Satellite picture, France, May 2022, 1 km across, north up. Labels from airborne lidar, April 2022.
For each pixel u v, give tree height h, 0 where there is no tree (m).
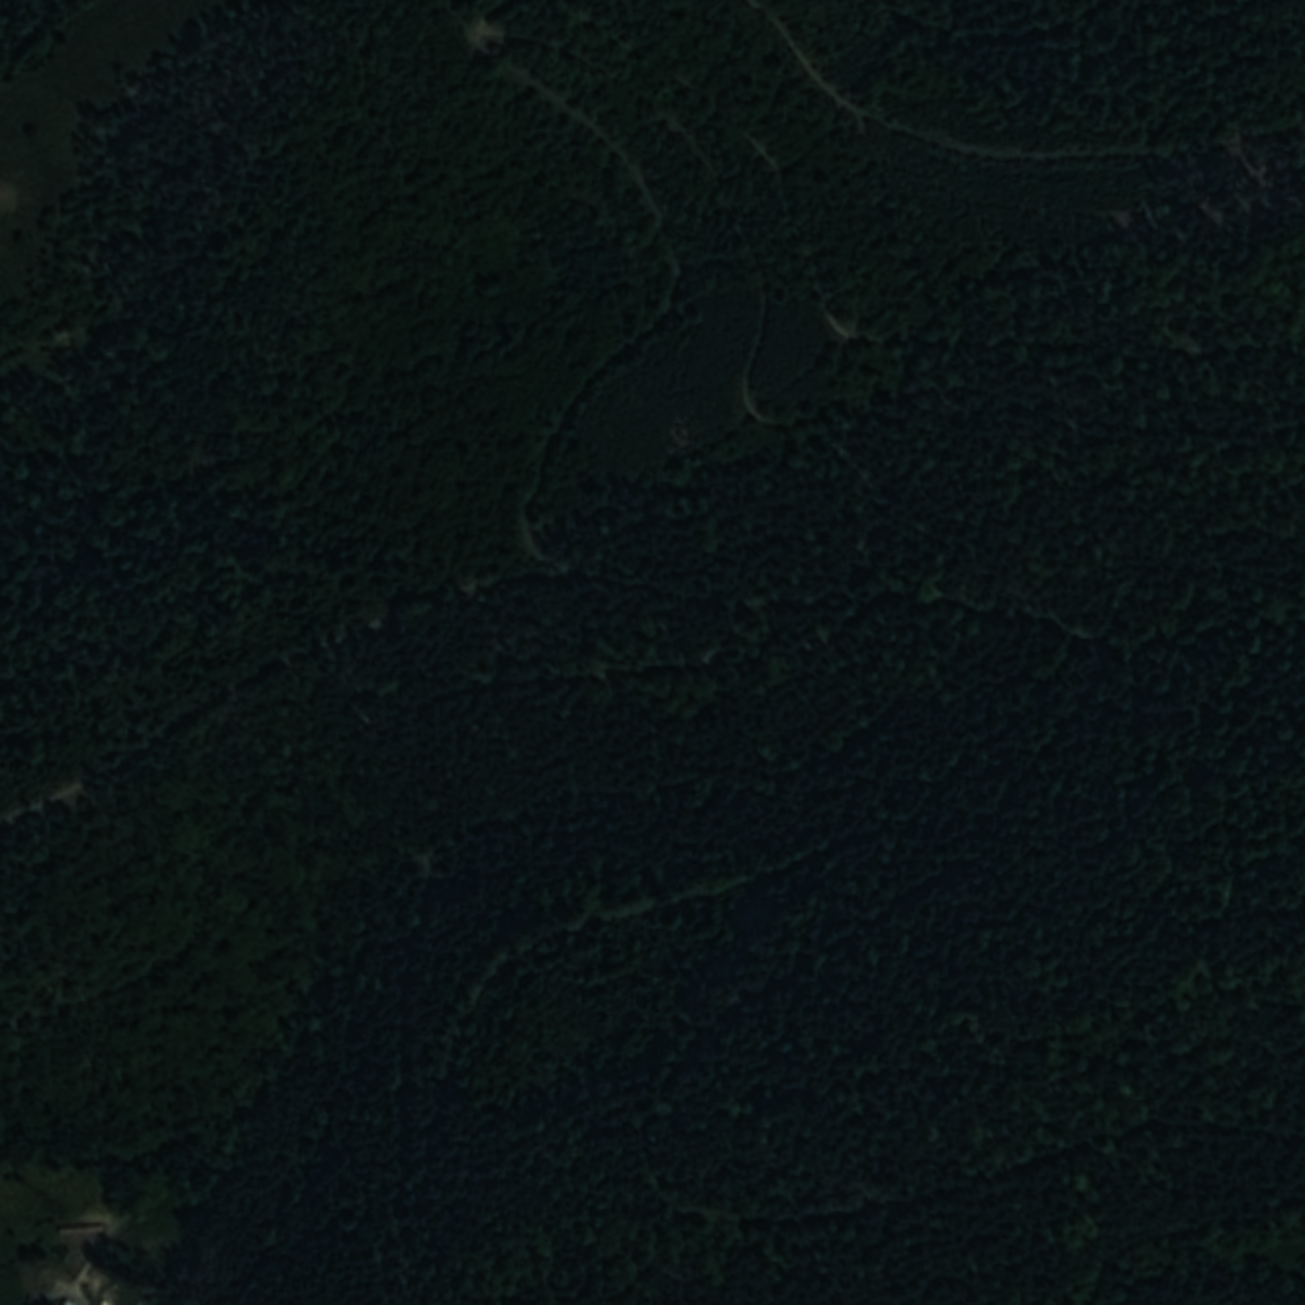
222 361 12
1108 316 24
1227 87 30
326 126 17
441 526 14
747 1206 18
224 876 16
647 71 12
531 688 27
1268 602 37
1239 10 30
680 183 11
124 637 35
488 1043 8
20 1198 0
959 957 31
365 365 21
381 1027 31
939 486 33
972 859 22
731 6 9
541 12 13
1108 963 30
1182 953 26
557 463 12
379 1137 32
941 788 32
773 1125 30
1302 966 21
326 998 31
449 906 29
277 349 9
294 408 19
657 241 17
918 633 30
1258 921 22
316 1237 32
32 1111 13
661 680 28
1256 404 24
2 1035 17
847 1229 29
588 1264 27
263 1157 34
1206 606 29
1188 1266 25
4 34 17
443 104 12
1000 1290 34
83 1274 0
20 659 31
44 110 0
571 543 26
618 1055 15
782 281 16
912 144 8
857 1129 27
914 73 20
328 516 14
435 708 30
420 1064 26
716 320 8
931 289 13
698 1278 27
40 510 31
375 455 14
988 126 8
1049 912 28
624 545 31
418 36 11
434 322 11
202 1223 34
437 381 15
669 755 29
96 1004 10
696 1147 28
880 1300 32
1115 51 36
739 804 38
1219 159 26
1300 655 31
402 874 26
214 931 23
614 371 9
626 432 8
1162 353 24
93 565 34
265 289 17
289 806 25
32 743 10
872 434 32
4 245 0
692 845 24
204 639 31
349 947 17
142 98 11
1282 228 26
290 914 26
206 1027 18
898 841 28
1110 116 27
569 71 16
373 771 22
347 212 9
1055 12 28
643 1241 28
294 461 15
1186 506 31
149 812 22
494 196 9
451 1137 24
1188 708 15
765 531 10
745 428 7
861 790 34
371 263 10
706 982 29
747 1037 30
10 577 27
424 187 12
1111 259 28
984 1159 24
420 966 29
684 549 33
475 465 16
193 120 33
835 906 29
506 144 9
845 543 31
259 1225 37
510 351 16
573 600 28
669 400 9
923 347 31
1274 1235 18
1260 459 30
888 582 23
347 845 26
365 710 25
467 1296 31
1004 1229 28
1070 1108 23
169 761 20
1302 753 19
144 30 0
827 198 12
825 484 35
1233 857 20
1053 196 8
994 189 9
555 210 14
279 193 20
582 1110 29
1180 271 31
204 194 33
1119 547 30
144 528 37
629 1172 23
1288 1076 9
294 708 23
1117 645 24
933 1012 28
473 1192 30
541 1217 25
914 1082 26
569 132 9
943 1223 35
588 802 29
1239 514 23
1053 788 19
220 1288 27
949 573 29
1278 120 24
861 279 16
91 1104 18
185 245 37
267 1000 21
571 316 19
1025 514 30
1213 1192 32
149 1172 31
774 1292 33
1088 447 28
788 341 7
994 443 28
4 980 17
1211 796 23
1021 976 28
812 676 32
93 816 19
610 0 15
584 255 19
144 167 34
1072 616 30
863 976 27
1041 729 30
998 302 18
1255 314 24
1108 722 26
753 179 16
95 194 14
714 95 8
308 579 7
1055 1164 30
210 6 0
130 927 22
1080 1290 28
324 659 27
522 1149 24
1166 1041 28
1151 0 27
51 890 22
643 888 17
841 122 7
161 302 28
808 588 31
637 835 33
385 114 12
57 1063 18
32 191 0
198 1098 22
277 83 35
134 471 6
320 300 10
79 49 0
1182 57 34
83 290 9
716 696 13
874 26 16
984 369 32
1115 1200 39
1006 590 23
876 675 35
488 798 32
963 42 17
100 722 14
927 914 27
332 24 18
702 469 15
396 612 26
